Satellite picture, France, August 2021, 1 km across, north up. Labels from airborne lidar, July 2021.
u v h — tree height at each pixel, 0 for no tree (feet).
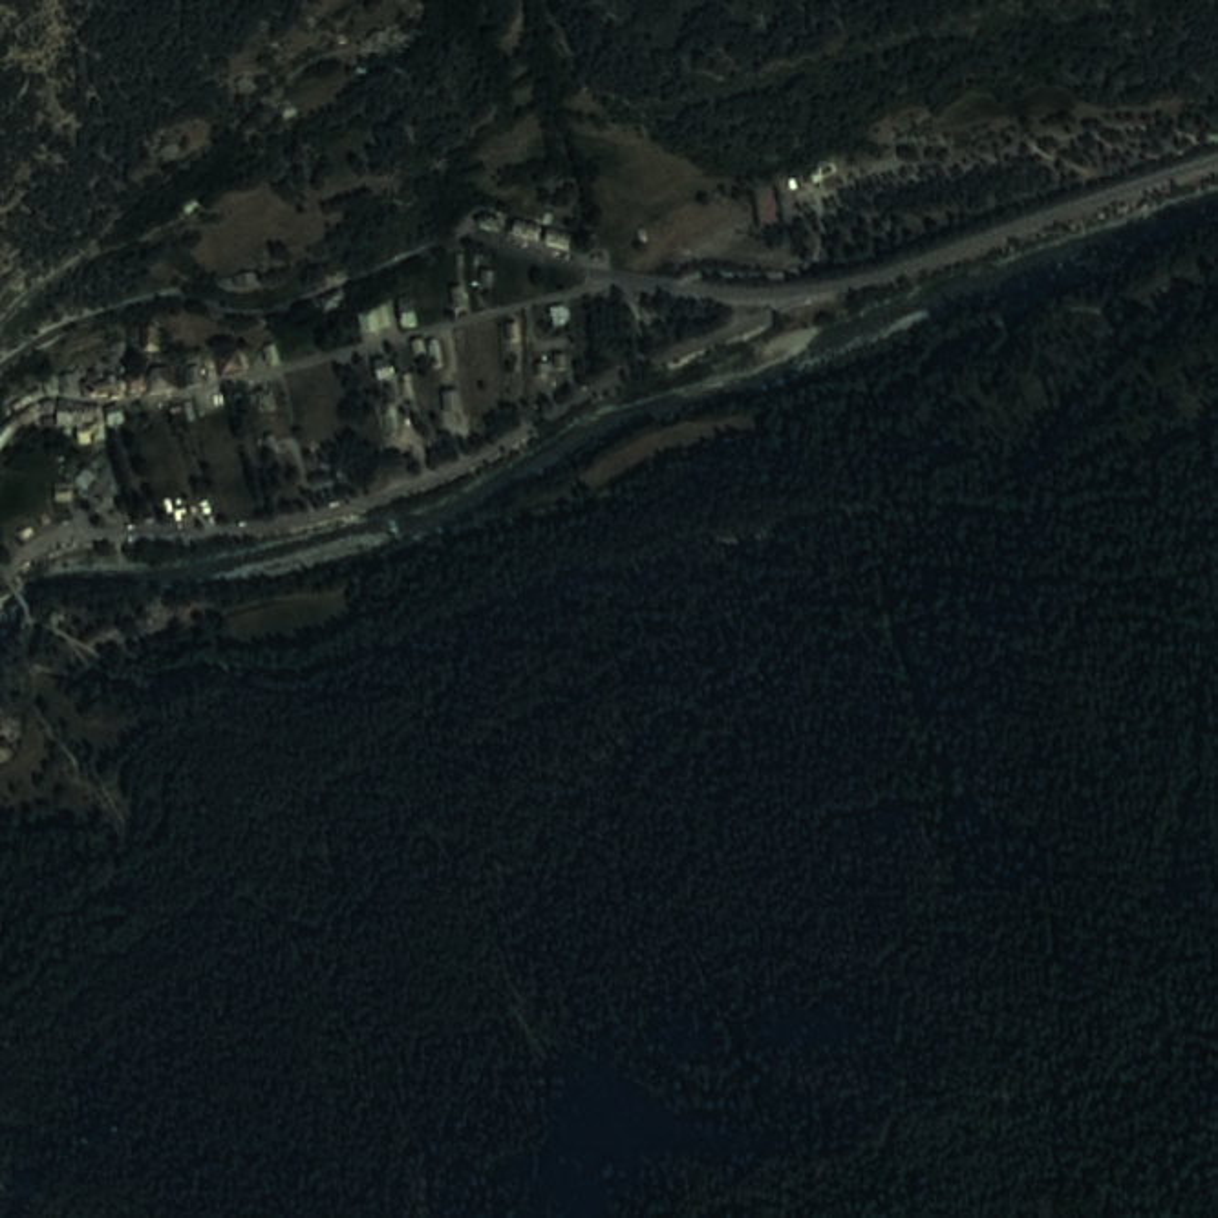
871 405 46
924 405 84
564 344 0
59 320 33
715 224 0
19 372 31
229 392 36
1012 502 64
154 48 60
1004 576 31
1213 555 89
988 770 51
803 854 44
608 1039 49
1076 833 56
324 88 0
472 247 46
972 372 73
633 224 0
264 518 42
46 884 46
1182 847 95
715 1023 74
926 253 51
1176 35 64
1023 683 74
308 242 0
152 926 43
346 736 30
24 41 21
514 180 54
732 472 43
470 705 38
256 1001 45
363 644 36
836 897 39
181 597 41
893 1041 63
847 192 22
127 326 43
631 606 39
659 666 38
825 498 37
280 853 40
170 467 0
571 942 49
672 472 57
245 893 29
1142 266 48
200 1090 38
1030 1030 56
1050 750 60
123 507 38
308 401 0
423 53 64
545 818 48
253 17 54
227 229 0
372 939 52
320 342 41
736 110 34
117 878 27
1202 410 0
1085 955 62
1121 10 35
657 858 46
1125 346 31
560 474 46
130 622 43
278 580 30
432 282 0
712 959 44
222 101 42
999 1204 58
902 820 57
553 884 32
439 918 36
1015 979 54
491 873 43
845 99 35
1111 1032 78
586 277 0
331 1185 47
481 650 43
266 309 31
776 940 38
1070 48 46
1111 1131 66
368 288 48
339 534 0
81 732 0
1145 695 76
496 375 0
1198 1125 63
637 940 42
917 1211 58
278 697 37
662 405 0
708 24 61
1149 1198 68
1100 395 84
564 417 22
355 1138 43
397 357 39
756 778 48
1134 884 66
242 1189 49
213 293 23
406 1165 43
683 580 36
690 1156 40
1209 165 0
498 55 58
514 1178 33
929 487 58
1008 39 57
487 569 49
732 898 45
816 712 49
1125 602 50
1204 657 41
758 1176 56
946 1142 45
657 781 35
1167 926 68
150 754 41
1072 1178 59
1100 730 45
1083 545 92
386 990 41
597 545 38
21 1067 45
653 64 43
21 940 65
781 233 34
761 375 0
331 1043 46
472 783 42
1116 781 61
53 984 60
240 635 0
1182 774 78
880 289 21
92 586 48
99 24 55
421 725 39
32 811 45
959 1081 56
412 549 19
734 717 50
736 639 36
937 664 57
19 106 23
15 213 24
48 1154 44
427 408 0
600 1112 30
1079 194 29
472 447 40
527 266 0
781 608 54
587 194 35
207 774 41
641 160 0
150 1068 44
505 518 33
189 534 0
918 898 27
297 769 37
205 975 35
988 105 0
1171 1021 88
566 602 33
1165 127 31
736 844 48
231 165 24
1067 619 79
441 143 65
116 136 65
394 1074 36
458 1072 36
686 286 0
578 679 47
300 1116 40
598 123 31
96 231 43
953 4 66
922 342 43
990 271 0
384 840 43
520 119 39
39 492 0
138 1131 45
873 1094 30
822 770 48
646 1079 36
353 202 46
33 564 21
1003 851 70
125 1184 44
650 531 36
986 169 24
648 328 41
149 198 35
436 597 47
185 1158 47
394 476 0
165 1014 31
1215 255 68
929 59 49
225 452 0
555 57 49
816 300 0
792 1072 32
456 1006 45
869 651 40
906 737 50
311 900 40
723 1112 49
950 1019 43
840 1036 42
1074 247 0
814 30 56
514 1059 43
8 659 34
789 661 49
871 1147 62
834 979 52
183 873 33
